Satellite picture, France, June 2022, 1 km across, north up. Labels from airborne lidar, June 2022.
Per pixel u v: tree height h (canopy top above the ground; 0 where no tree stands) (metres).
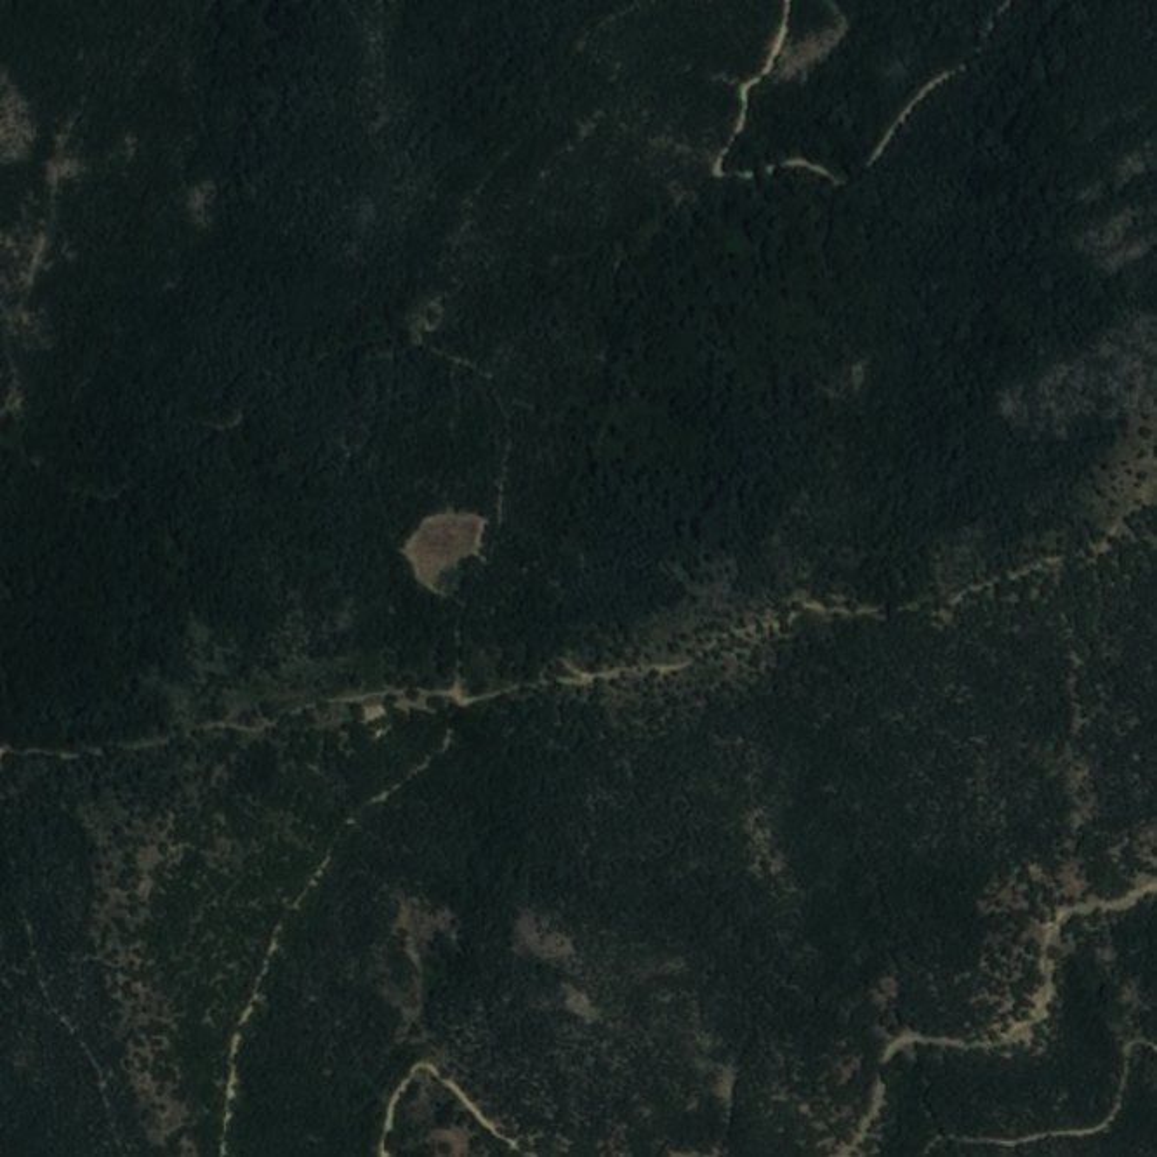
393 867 8
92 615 19
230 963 10
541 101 11
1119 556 7
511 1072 6
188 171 9
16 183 9
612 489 11
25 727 17
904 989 12
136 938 7
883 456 8
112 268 14
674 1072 6
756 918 8
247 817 11
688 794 10
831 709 10
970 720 8
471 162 11
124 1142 7
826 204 10
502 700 10
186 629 10
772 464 10
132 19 9
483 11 6
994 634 9
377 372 14
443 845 12
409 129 7
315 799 8
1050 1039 8
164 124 8
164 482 7
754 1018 8
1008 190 12
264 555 14
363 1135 8
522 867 10
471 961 9
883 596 10
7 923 6
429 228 7
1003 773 6
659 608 8
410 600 12
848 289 7
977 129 7
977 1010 8
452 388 7
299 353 11
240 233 6
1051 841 9
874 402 9
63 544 14
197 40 6
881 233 14
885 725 10
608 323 12
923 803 6
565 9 9
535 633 12
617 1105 9
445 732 10
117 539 7
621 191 8
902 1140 9
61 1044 8
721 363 12
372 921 11
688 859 7
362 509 9
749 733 9
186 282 6
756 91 9
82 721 17
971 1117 8
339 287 6
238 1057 10
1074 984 8
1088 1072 7
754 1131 11
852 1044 9
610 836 7
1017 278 15
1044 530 6
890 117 6
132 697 16
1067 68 11
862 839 8
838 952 6
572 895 6
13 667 21
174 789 11
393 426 13
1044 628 6
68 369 10
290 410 13
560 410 15
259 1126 8
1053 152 15
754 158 13
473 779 8
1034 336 6
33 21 6
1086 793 8
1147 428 8
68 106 10
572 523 7
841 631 9
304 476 12
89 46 7
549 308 10
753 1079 7
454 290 10
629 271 12
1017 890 7
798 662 12
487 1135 9
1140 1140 6
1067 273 9
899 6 8
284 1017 9
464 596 10
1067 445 8
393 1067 11
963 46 7
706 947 9
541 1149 10
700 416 11
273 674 6
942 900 9
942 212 10
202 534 12
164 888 6
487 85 10
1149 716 8
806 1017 6
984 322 12
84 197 10
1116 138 6
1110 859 8
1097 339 6
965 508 13
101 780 14
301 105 11
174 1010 6
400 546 7
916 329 9
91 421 11
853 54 10
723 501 14
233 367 10
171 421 13
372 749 11
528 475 9
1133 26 7
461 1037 12
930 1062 14
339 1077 12
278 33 20
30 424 9
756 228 16
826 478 8
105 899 7
